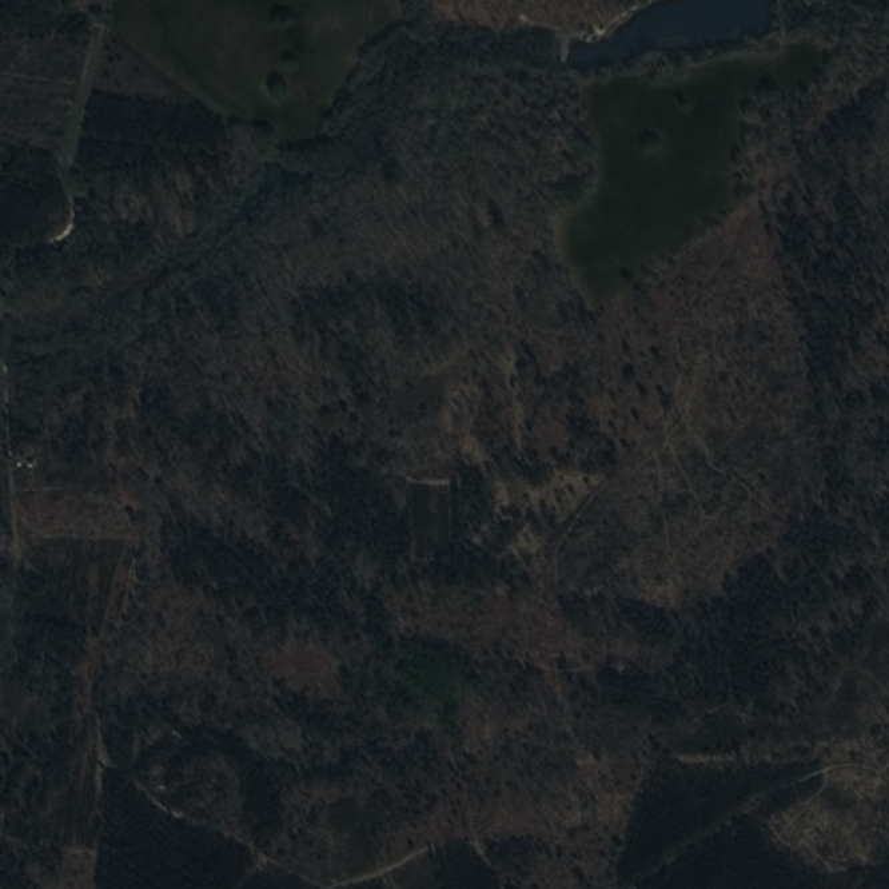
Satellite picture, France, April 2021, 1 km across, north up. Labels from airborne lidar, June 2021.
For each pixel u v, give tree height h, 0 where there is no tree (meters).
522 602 17
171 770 11
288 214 20
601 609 13
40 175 11
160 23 0
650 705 10
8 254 11
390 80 11
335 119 23
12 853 15
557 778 16
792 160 19
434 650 14
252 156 19
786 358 8
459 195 22
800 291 14
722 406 9
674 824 11
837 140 22
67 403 13
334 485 15
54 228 9
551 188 22
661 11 0
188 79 0
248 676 9
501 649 11
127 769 11
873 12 22
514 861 22
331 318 19
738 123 0
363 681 19
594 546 0
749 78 0
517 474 12
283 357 17
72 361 14
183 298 13
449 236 21
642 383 0
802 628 9
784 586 16
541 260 15
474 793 7
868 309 16
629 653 0
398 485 16
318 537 9
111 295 11
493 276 20
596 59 0
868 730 0
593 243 0
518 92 17
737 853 11
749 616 21
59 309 9
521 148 11
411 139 18
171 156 14
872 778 0
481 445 0
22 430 19
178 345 21
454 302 18
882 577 16
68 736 14
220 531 8
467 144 22
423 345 13
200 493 17
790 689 21
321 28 0
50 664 9
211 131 13
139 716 14
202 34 0
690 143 0
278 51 0
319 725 15
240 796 9
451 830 7
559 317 11
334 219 19
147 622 9
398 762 22
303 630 6
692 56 18
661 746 22
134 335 18
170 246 23
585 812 6
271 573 11
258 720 9
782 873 7
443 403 12
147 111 13
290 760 7
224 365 14
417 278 15
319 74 0
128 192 14
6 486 11
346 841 0
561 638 0
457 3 20
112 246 24
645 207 0
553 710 8
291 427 16
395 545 17
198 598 8
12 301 15
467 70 17
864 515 14
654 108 0
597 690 8
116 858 14
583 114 15
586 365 11
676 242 0
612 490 0
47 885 15
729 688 21
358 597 14
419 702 16
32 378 8
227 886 14
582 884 21
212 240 8
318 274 14
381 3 0
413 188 19
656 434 7
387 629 11
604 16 13
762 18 0
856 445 11
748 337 9
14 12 7
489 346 19
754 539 12
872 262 19
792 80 0
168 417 27
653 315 9
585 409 23
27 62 0
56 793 12
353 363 21
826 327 11
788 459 6
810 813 0
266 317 18
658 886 12
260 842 14
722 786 10
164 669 8
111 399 15
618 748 0
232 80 0
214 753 10
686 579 12
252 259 19
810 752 7
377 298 15
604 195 0
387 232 20
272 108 0
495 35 18
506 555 10
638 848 12
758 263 0
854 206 10
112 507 7
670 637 22
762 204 10
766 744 13
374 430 13
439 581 15
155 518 12
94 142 13
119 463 7
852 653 25
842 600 11
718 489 9
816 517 19
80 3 8
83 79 0
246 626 13
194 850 14
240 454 11
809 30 20
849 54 18
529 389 9
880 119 18
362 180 17
